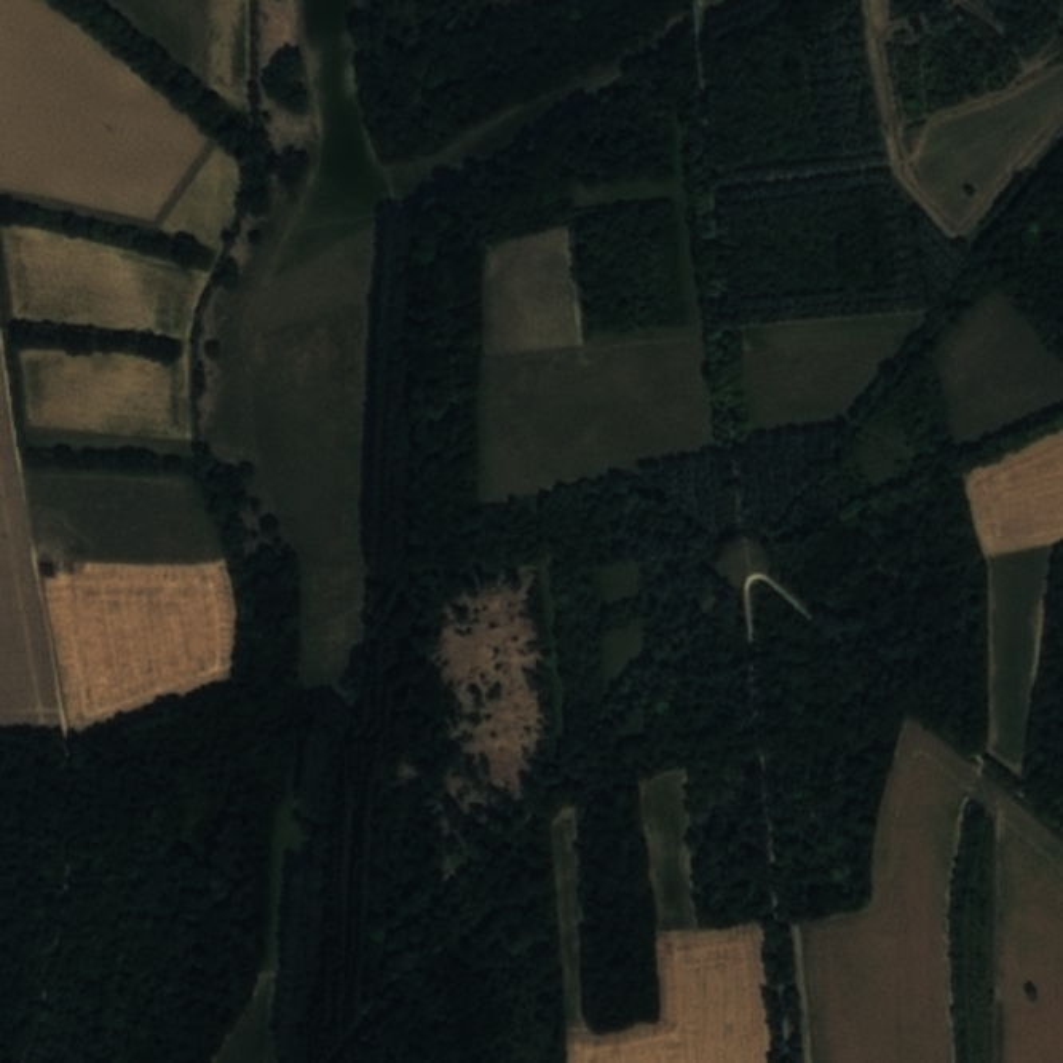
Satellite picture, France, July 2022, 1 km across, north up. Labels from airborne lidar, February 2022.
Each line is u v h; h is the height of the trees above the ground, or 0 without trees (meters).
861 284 11
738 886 20
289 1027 31
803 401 0
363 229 0
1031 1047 0
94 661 0
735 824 10
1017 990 0
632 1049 0
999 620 0
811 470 18
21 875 13
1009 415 0
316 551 0
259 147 21
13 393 7
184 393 0
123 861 10
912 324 0
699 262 17
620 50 22
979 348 0
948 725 20
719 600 20
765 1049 0
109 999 21
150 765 9
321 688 0
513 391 0
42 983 18
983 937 0
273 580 21
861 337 0
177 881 15
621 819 19
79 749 25
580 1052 0
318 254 0
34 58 0
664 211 9
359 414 0
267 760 25
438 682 26
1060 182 19
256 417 0
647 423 0
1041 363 0
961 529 17
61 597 0
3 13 0
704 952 0
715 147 23
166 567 0
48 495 0
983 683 9
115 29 17
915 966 0
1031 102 0
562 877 0
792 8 19
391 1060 28
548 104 0
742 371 15
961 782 0
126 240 6
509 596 0
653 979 20
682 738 16
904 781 0
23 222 13
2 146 0
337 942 26
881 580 19
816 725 9
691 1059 0
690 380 0
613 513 18
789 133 10
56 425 0
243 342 0
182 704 15
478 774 22
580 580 16
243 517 17
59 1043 16
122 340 14
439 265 25
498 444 0
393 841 17
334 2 0
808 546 23
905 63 5
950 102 6
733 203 14
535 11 22
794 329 0
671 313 8
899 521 9
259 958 24
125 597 0
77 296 0
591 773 21
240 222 8
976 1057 0
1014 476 0
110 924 9
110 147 0
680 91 19
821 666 11
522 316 0
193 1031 26
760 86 15
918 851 0
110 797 20
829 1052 0
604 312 16
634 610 12
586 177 14
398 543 34
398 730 18
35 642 0
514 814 21
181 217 0
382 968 17
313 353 0
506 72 21
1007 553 0
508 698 0
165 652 0
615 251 14
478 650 0
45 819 9
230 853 27
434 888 7
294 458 0
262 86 8
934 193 0
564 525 18
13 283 0
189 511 0
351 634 0
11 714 0
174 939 22
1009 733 0
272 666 27
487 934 18
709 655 9
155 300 0
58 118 0
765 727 15
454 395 17
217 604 0
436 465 25
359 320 0
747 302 13
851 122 11
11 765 12
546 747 13
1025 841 0
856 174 12
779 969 17
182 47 0
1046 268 15
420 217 29
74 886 19
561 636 17
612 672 0
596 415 0
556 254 0
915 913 0
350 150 0
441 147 9
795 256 8
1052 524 0
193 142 0
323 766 39
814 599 8
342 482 0
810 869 16
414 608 24
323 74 0
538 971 18
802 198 13
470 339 19
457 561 23
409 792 8
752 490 14
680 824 0
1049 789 16
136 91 0
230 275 17
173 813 24
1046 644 9
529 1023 9
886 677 23
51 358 0
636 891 19
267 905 21
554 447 0
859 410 11
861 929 0
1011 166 0
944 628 9
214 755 16
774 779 16
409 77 19
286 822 0
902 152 0
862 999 0
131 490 0
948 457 18
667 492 14
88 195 0
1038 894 0
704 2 0
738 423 17
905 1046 0
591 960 14
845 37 12
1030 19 14
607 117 20
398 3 27
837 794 18
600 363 0
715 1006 0
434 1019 11
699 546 16
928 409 7
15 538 0
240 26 0
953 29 21
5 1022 16
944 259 15
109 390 0
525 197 10
